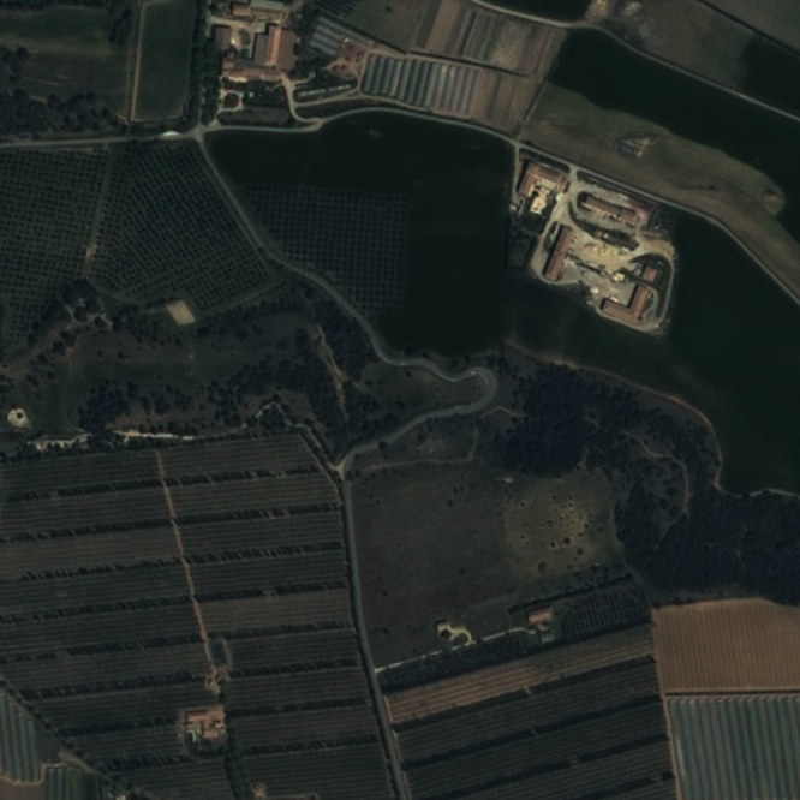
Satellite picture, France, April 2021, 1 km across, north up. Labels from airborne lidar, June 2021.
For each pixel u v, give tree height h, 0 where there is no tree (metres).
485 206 0
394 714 0
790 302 0
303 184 0
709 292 0
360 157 0
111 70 0
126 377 0
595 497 0
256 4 0
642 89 0
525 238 7
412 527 0
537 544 0
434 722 19
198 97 9
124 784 10
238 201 0
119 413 9
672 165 0
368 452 0
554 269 0
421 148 0
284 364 6
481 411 0
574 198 0
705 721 0
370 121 0
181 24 0
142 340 8
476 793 18
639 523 7
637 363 0
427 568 0
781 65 0
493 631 0
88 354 0
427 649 0
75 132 7
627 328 0
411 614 0
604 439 6
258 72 0
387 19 0
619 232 6
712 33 0
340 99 0
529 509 0
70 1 15
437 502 0
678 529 8
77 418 0
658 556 8
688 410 0
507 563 0
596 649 0
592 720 19
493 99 0
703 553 5
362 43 0
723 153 0
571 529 0
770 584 7
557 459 8
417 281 0
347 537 13
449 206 0
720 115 0
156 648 20
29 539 17
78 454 14
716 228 0
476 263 0
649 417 8
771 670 0
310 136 0
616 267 0
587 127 0
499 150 0
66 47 0
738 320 0
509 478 0
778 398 0
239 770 16
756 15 0
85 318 11
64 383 0
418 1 0
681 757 0
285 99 0
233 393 9
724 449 0
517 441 7
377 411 9
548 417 8
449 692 0
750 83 0
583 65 0
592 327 0
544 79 0
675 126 0
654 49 0
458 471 0
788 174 0
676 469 11
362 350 8
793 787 0
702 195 0
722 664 0
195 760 7
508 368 7
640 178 0
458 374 0
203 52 9
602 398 6
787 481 0
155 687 23
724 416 0
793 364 0
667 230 0
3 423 0
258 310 8
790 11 0
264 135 0
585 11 0
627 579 9
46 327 11
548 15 0
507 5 0
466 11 0
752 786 0
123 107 0
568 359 0
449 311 0
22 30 0
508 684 0
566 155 0
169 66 0
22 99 14
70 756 0
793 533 5
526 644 6
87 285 15
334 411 13
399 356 0
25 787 0
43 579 11
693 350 0
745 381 0
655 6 0
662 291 0
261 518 18
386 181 0
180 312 0
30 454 7
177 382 0
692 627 0
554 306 0
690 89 0
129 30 9
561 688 20
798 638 0
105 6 12
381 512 0
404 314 0
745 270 0
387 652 0
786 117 0
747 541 7
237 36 0
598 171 0
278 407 7
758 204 0
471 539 0
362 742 10
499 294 0
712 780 0
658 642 0
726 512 9
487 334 0
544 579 0
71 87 0
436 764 19
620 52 0
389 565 0
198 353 0
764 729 0
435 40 0
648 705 19
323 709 17
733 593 0
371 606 0
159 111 0
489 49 0
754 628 0
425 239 0
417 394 0
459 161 0
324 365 6
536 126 0
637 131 0
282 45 0
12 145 0
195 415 0
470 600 0
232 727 10
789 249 0
